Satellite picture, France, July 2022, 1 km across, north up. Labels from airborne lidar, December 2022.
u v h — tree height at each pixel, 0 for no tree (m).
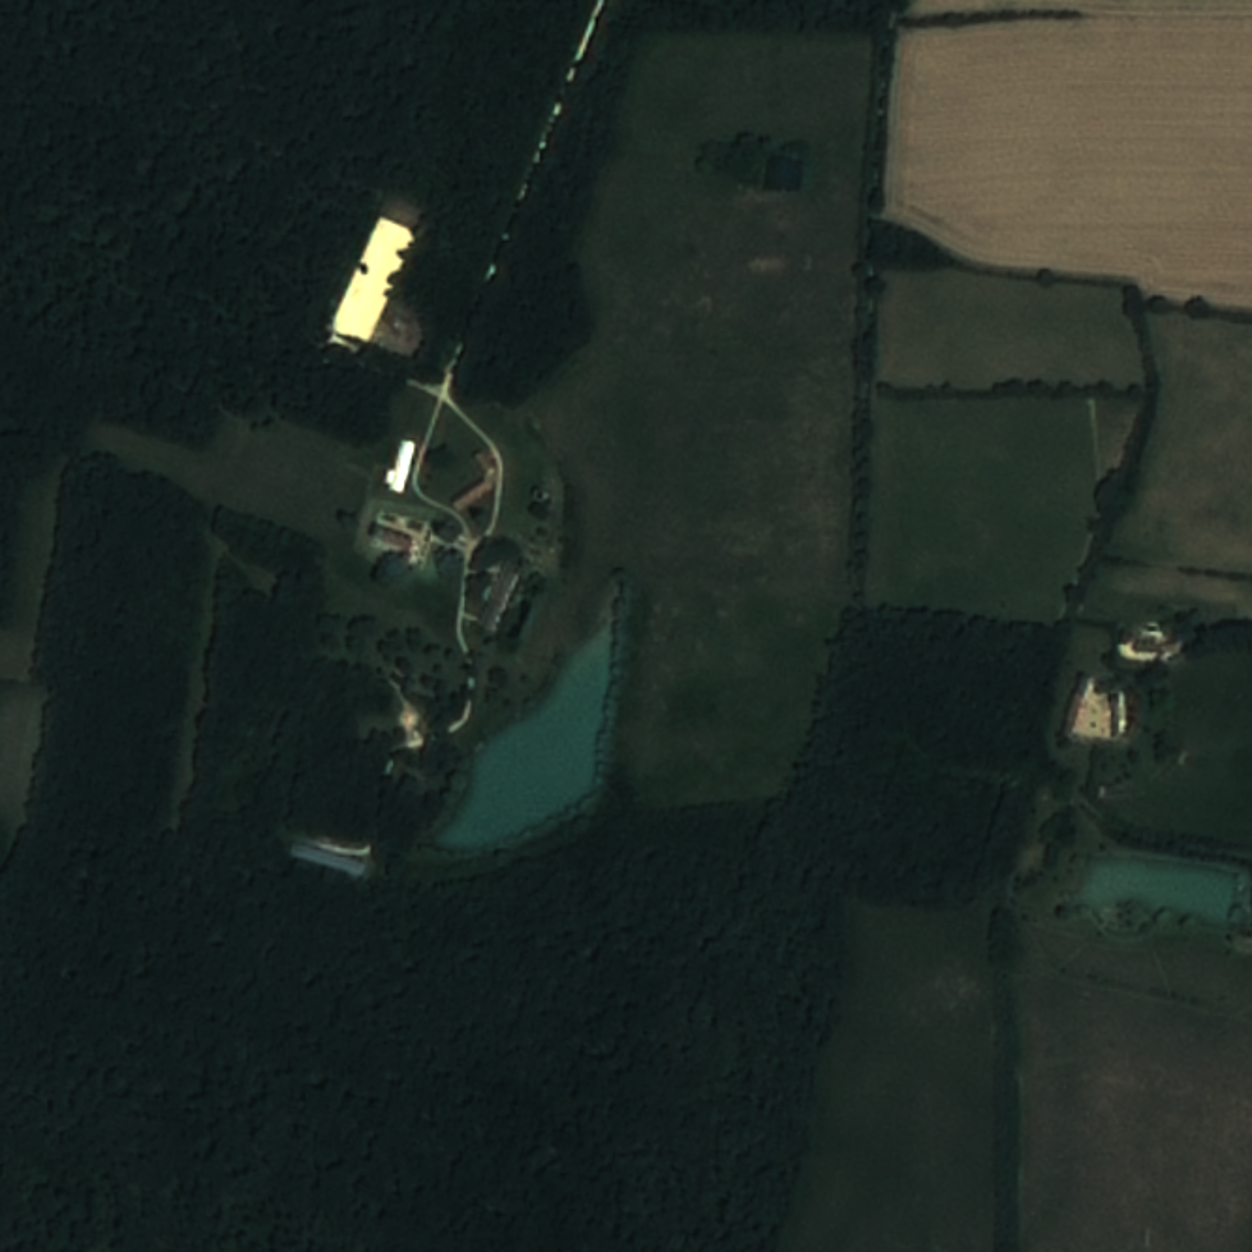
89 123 20
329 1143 22
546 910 14
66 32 21
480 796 0
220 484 0
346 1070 21
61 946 22
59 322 21
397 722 0
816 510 0
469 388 18
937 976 0
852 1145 0
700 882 18
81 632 18
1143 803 0
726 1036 22
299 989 14
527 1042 21
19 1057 20
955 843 16
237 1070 19
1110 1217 0
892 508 0
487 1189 23
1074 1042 0
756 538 0
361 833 9
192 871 9
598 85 18
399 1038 16
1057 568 0
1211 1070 0
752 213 0
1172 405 0
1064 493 0
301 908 10
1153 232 0
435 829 9
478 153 21
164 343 18
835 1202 0
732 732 0
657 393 0
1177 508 0
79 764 19
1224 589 0
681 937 23
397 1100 22
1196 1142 0
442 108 17
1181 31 0
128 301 22
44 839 16
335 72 16
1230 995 0
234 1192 23
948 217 0
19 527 12
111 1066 23
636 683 0
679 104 0
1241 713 0
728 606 0
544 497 9
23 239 20
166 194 18
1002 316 0
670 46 0
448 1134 20
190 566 18
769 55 0
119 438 0
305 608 17
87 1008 20
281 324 17
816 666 0
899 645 17
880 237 17
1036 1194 0
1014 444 0
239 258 20
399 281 9
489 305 16
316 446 0
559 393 0
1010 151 0
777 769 0
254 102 15
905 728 17
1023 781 14
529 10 18
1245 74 0
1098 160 0
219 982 18
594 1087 20
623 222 0
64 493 9
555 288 18
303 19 22
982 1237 0
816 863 19
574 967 22
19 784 0
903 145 0
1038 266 0
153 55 16
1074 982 0
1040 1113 0
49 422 18
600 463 0
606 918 24
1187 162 0
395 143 15
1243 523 0
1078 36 0
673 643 0
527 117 17
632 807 8
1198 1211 0
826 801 21
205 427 15
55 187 19
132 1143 22
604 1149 20
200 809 16
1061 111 0
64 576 17
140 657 20
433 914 18
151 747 22
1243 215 0
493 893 18
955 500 0
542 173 15
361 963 19
